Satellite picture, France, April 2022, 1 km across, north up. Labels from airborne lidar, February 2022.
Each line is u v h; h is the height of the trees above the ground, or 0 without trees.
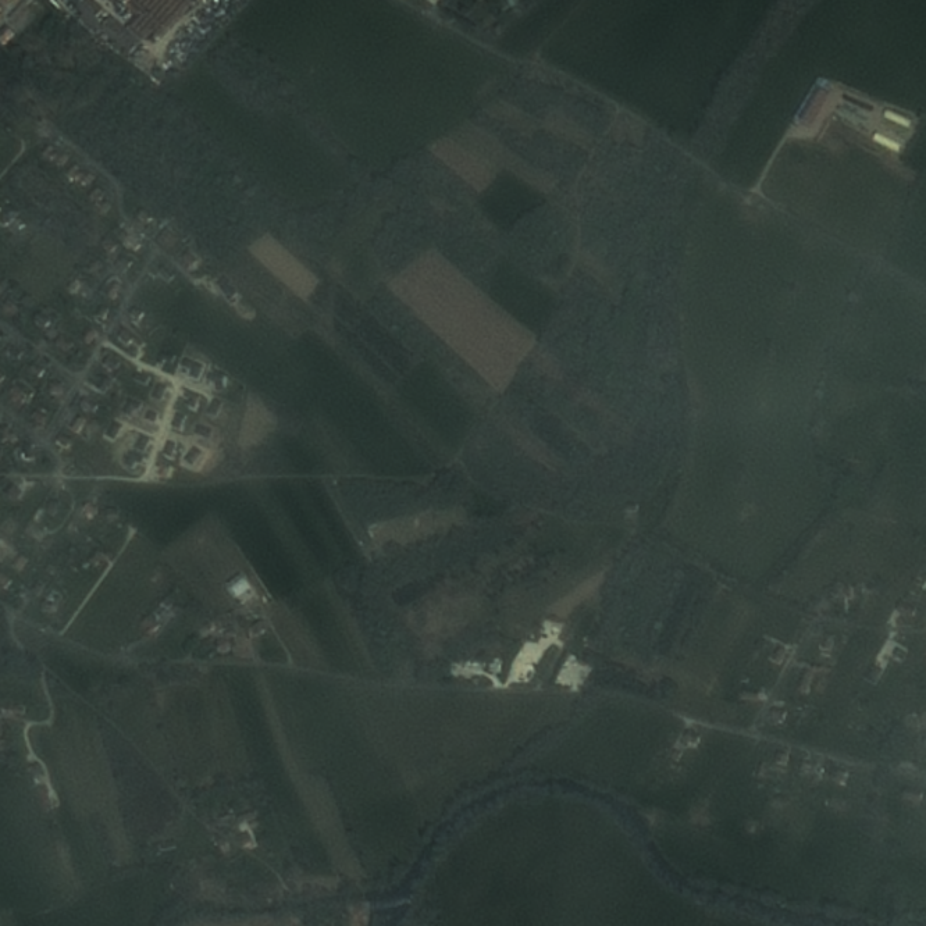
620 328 19
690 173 16
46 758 0
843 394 0
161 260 0
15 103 18
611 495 16
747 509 0
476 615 0
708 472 0
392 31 0
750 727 0
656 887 0
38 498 0
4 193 0
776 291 0
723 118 15
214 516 0
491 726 0
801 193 0
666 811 0
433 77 0
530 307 0
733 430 0
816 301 0
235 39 15
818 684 0
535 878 0
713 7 0
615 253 8
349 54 0
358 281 0
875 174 0
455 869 0
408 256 11
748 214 0
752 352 0
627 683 10
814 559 0
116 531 0
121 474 0
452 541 15
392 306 9
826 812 0
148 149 9
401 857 0
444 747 0
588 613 0
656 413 21
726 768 0
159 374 0
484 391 0
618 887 0
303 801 0
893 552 0
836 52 0
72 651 0
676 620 12
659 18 0
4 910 0
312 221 15
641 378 20
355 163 13
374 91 0
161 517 0
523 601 0
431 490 10
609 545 0
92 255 7
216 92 0
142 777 0
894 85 0
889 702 0
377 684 0
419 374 0
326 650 0
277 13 0
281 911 17
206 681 0
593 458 12
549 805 0
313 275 0
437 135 0
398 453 0
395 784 0
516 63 0
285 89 17
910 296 0
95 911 0
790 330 0
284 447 0
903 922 26
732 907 18
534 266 7
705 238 0
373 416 0
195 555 0
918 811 0
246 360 0
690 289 0
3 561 0
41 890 0
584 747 0
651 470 17
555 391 7
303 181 0
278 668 0
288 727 0
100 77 15
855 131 0
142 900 0
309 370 0
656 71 0
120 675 0
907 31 0
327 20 0
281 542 0
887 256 0
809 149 0
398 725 0
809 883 0
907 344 0
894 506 0
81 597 0
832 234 0
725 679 0
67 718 0
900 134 0
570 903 0
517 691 0
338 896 9
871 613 0
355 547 0
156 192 16
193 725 0
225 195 8
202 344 0
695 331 0
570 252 0
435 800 0
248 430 0
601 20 0
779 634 0
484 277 8
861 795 0
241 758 0
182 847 0
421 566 15
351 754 0
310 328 0
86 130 17
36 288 0
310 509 0
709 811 0
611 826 0
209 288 0
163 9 0
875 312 0
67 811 0
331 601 0
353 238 0
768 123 0
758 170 0
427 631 0
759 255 0
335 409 0
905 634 0
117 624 0
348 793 0
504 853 0
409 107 0
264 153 0
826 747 0
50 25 8
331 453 0
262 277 0
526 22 0
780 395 0
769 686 0
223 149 14
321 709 0
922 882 0
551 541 0
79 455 0
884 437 0
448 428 0
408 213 11
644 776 0
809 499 0
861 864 0
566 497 16
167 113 16
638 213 9
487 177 0
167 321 0
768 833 0
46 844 0
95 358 0
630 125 0
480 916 0
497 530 15
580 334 22
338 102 0
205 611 16
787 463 0
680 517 0
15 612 0
